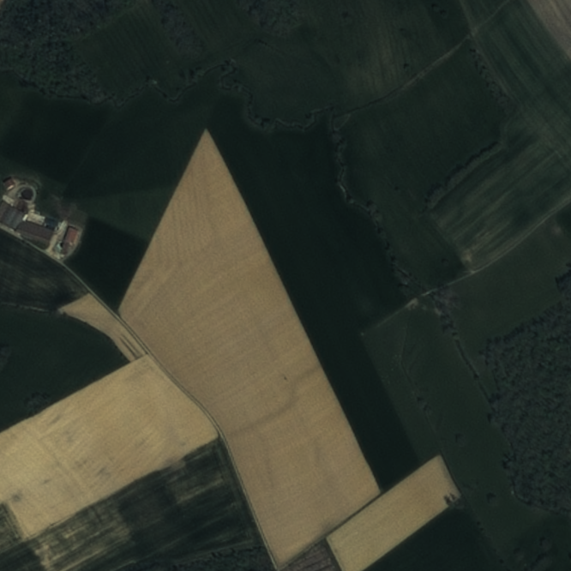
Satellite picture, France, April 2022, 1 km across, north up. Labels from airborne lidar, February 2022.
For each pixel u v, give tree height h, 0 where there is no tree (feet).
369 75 0
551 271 0
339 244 0
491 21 0
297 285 0
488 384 0
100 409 0
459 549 0
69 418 0
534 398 90
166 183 0
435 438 0
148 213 0
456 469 0
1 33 58
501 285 0
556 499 90
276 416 0
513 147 0
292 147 0
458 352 0
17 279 0
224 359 0
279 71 0
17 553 0
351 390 0
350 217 0
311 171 0
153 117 0
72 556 0
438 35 0
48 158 0
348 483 0
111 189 0
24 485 0
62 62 81
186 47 86
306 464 0
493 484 0
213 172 0
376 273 0
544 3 0
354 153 0
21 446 0
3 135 0
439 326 0
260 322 0
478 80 0
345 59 0
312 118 39
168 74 0
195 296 0
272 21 82
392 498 0
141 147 0
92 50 0
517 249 0
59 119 0
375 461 0
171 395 0
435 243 0
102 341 0
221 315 0
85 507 0
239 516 0
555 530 0
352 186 0
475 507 0
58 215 0
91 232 0
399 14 0
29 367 0
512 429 74
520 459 75
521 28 0
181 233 0
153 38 0
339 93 0
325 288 0
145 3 0
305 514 0
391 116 0
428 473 0
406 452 0
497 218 0
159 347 0
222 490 0
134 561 0
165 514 0
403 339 0
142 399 0
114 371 0
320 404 0
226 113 0
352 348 0
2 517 0
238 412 0
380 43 0
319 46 0
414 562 0
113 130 0
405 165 0
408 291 52
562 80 0
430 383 0
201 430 0
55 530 0
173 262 0
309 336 0
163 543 0
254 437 0
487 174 0
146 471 0
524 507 0
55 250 0
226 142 0
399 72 0
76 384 0
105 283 0
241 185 0
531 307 0
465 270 0
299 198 0
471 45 0
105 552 0
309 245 0
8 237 0
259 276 0
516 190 0
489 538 0
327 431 0
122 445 0
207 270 0
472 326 0
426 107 0
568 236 0
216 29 0
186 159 0
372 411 0
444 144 0
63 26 62
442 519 0
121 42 0
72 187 0
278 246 0
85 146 0
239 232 0
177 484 0
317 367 0
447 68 0
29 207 0
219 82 28
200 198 0
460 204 0
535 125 0
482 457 0
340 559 0
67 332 0
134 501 0
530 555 0
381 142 0
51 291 0
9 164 0
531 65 0
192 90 0
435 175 0
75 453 0
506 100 58
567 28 0
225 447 0
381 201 0
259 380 0
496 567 0
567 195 0
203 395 0
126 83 0
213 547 0
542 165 0
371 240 0
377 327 0
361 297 0
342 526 0
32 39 80
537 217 0
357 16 0
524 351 64
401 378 0
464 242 0
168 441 0
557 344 62
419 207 0
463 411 0
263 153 0
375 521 0
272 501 0
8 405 0
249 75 0
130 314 0
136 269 0
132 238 0
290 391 0
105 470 0
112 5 87
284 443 0
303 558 0
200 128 0
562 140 0
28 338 0
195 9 0
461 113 0
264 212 0
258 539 0
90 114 0
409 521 0
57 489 0
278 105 0
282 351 0
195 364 0
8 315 0
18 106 0
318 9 0
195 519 0
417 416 0
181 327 0
